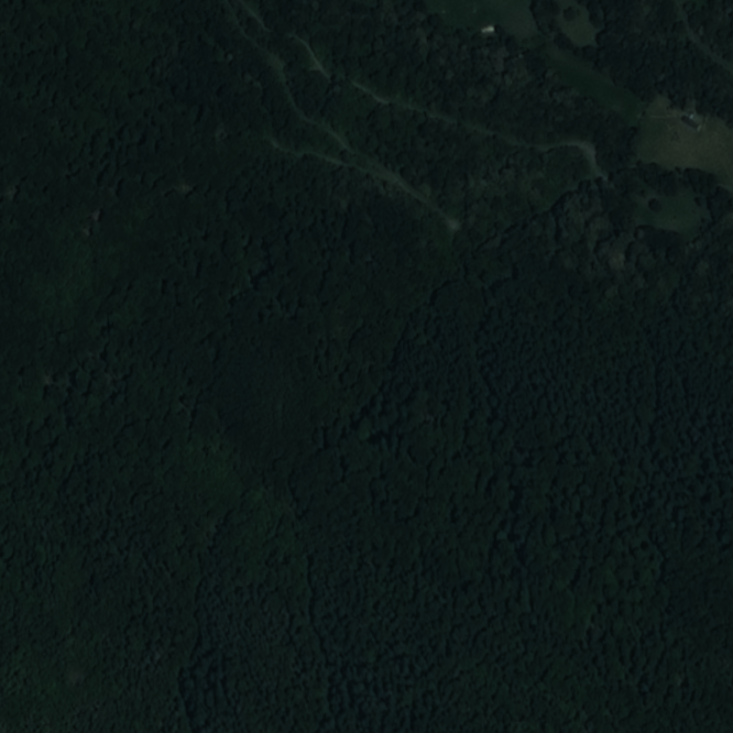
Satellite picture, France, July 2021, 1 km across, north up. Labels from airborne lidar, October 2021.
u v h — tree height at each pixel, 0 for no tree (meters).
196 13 29
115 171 27
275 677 20
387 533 32
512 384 23
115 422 26
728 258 17
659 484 33
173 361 29
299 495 28
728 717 27
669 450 29
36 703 18
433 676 28
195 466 21
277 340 26
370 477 37
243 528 24
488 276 26
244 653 25
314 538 20
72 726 17
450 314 22
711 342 16
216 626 16
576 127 22
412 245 23
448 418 34
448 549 28
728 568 25
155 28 11
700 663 30
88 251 25
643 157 0
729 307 23
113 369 26
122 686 18
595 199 27
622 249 32
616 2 22
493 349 11
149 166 24
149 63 12
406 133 8
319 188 21
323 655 10
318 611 19
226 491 20
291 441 28
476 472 31
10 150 20
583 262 23
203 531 29
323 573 16
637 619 25
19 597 22
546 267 27
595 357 16
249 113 27
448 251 14
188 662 20
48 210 26
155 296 28
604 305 14
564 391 23
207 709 19
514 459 23
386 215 33
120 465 31
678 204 0
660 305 16
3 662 10
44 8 12
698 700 22
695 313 17
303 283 18
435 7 0
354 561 20
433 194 18
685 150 0
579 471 34
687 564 26
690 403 28
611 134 19
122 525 27
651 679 25
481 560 23
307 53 16
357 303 18
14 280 30
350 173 14
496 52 24
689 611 22
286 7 22
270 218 18
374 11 7
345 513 31
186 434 30
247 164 27
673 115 0
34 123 20
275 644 23
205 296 24
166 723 14
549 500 20
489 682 24
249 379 26
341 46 27
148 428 32
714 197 14
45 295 23
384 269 22
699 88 20
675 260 25
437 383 29
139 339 24
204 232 31
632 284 11
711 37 20
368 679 33
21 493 31
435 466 40
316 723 13
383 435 11
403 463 40
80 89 19
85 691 16
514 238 30
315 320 28
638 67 25
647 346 15
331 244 24
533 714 10
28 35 21
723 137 0
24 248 24
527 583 36
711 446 32
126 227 25
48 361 31
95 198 24
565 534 38
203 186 22
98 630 18
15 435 24
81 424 33
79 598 21
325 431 18
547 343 18
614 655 39
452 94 18
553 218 17
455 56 24
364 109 17
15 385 31
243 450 15
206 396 31
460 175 18
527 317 22
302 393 16
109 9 7
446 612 24
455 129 18
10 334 31
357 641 29
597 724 23
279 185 9
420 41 24
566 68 0
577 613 32
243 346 20
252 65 30
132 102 21
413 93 16
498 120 21
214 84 37
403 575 16
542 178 21
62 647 18
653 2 28
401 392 33
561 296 29
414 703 14
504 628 24
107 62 20
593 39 0
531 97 17
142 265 32
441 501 38
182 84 34
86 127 22
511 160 20
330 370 17
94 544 9
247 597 25
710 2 12
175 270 36
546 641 20
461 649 23
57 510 21
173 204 25
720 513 22
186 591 26
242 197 25
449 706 24
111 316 28
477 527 32
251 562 24
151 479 28
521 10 0
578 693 25
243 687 25
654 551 37
